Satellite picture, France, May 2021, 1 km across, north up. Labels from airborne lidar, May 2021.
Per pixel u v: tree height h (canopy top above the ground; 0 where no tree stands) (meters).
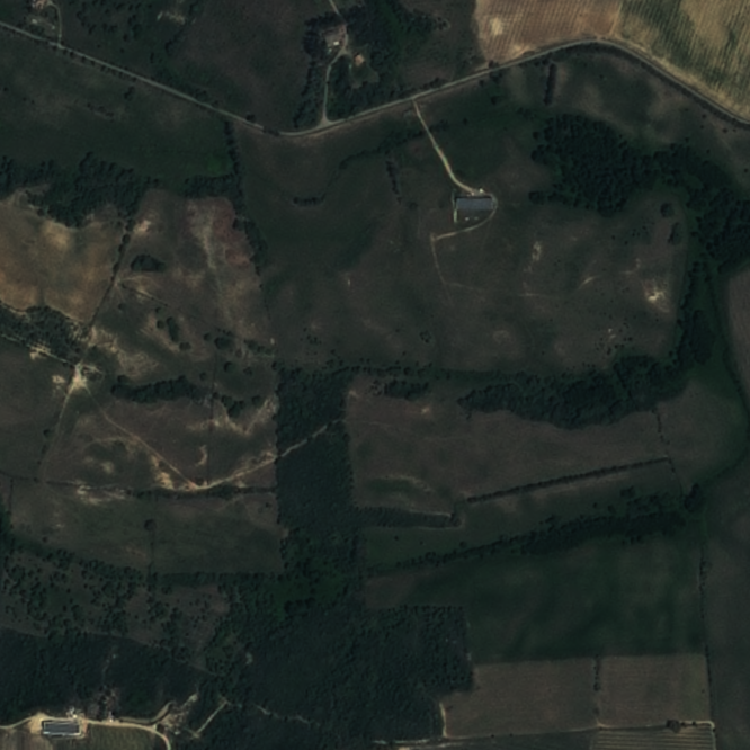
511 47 0
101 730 0
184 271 0
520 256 0
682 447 0
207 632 0
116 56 0
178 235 0
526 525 0
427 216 0
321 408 8
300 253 0
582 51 15
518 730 0
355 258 0
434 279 0
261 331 0
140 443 0
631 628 0
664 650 0
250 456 0
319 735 6
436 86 12
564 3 0
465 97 0
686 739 0
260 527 0
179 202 0
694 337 16
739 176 0
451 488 0
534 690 0
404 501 0
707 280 10
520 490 12
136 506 0
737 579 0
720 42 0
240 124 0
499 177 0
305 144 0
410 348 0
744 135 0
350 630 9
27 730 0
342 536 9
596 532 10
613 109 0
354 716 7
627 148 17
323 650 6
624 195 15
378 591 0
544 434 0
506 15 0
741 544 0
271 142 0
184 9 0
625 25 0
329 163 0
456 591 0
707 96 0
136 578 11
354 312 0
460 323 0
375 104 13
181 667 7
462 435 0
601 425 7
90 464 0
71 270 0
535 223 0
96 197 7
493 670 0
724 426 0
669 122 0
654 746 0
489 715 0
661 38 0
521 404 11
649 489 0
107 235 0
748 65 0
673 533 8
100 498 0
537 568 0
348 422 0
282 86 0
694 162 14
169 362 0
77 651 8
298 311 0
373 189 0
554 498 0
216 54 0
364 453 0
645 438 0
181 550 0
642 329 0
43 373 0
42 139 0
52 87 0
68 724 0
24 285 0
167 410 0
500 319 0
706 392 0
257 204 0
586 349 0
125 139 0
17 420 0
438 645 10
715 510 0
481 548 8
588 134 13
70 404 0
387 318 0
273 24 0
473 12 0
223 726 8
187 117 0
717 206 10
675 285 0
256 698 6
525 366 0
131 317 0
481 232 0
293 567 12
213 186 11
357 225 0
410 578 0
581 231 0
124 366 0
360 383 0
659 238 0
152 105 0
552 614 0
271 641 7
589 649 0
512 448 0
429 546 0
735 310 0
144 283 0
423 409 0
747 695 0
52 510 0
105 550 0
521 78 0
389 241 0
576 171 8
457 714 0
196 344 0
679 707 0
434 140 0
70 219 6
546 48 0
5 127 0
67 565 10
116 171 9
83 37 0
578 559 0
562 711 0
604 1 0
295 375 14
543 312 0
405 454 0
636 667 0
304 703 7
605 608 0
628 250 0
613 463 0
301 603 12
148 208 0
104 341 0
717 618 0
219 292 0
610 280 0
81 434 0
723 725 0
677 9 0
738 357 0
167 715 0
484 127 0
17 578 7
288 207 0
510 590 0
